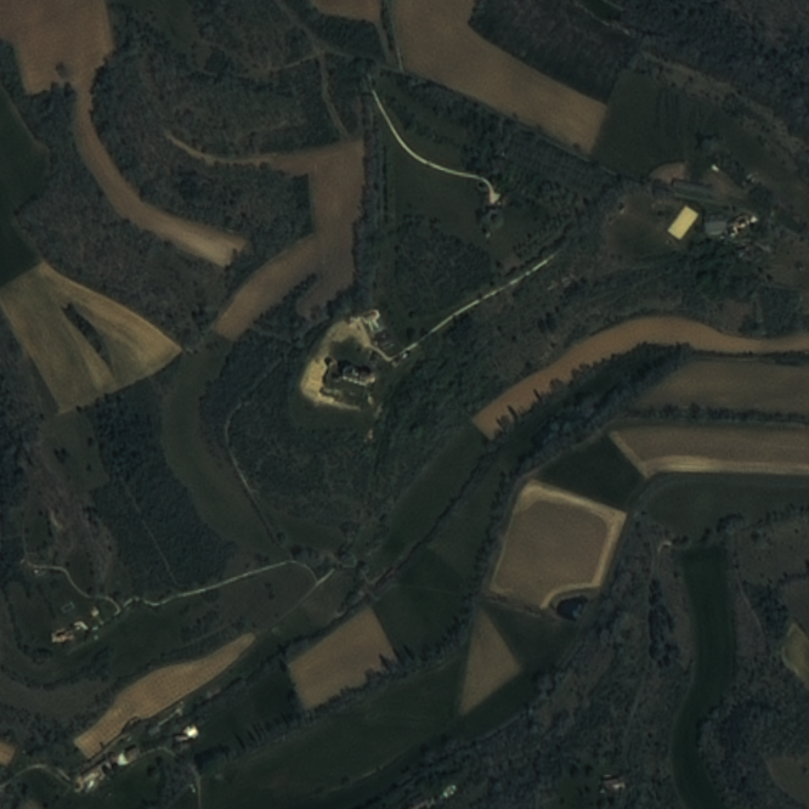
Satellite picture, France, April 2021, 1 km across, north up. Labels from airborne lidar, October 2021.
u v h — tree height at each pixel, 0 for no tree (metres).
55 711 0
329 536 0
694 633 0
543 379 0
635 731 7
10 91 9
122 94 9
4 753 0
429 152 0
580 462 0
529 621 0
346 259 0
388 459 6
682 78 0
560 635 0
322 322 15
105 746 8
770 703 6
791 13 16
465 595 0
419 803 0
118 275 10
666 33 10
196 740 6
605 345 0
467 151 9
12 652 0
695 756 0
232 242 0
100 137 14
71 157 16
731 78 12
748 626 0
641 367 0
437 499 0
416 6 0
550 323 12
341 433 9
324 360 0
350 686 0
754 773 7
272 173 15
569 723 15
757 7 16
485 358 10
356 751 0
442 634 0
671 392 0
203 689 0
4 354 12
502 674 0
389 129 0
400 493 7
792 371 0
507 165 13
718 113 0
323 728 0
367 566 11
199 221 16
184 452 0
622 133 0
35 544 0
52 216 12
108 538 6
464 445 0
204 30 11
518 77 0
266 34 12
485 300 12
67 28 0
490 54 0
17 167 0
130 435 17
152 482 7
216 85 11
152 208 17
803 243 7
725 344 0
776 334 12
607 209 17
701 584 0
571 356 0
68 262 12
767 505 0
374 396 0
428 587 0
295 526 0
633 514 0
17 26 0
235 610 0
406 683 15
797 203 0
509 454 0
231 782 0
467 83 0
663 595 11
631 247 0
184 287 0
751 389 0
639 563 9
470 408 12
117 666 0
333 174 0
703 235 11
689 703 0
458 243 7
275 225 12
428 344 20
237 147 10
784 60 15
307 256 0
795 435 0
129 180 14
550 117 0
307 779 0
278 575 0
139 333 0
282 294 0
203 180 9
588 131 0
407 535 0
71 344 0
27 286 0
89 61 0
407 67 0
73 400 0
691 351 12
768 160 0
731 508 0
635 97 0
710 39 7
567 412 12
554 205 13
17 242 0
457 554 0
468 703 0
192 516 6
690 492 0
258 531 0
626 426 0
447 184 0
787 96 13
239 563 0
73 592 0
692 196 0
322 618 0
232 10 16
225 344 0
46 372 0
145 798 0
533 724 5
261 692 0
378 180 10
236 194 6
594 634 6
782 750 13
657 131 0
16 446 9
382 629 0
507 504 12
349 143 0
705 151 16
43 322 0
